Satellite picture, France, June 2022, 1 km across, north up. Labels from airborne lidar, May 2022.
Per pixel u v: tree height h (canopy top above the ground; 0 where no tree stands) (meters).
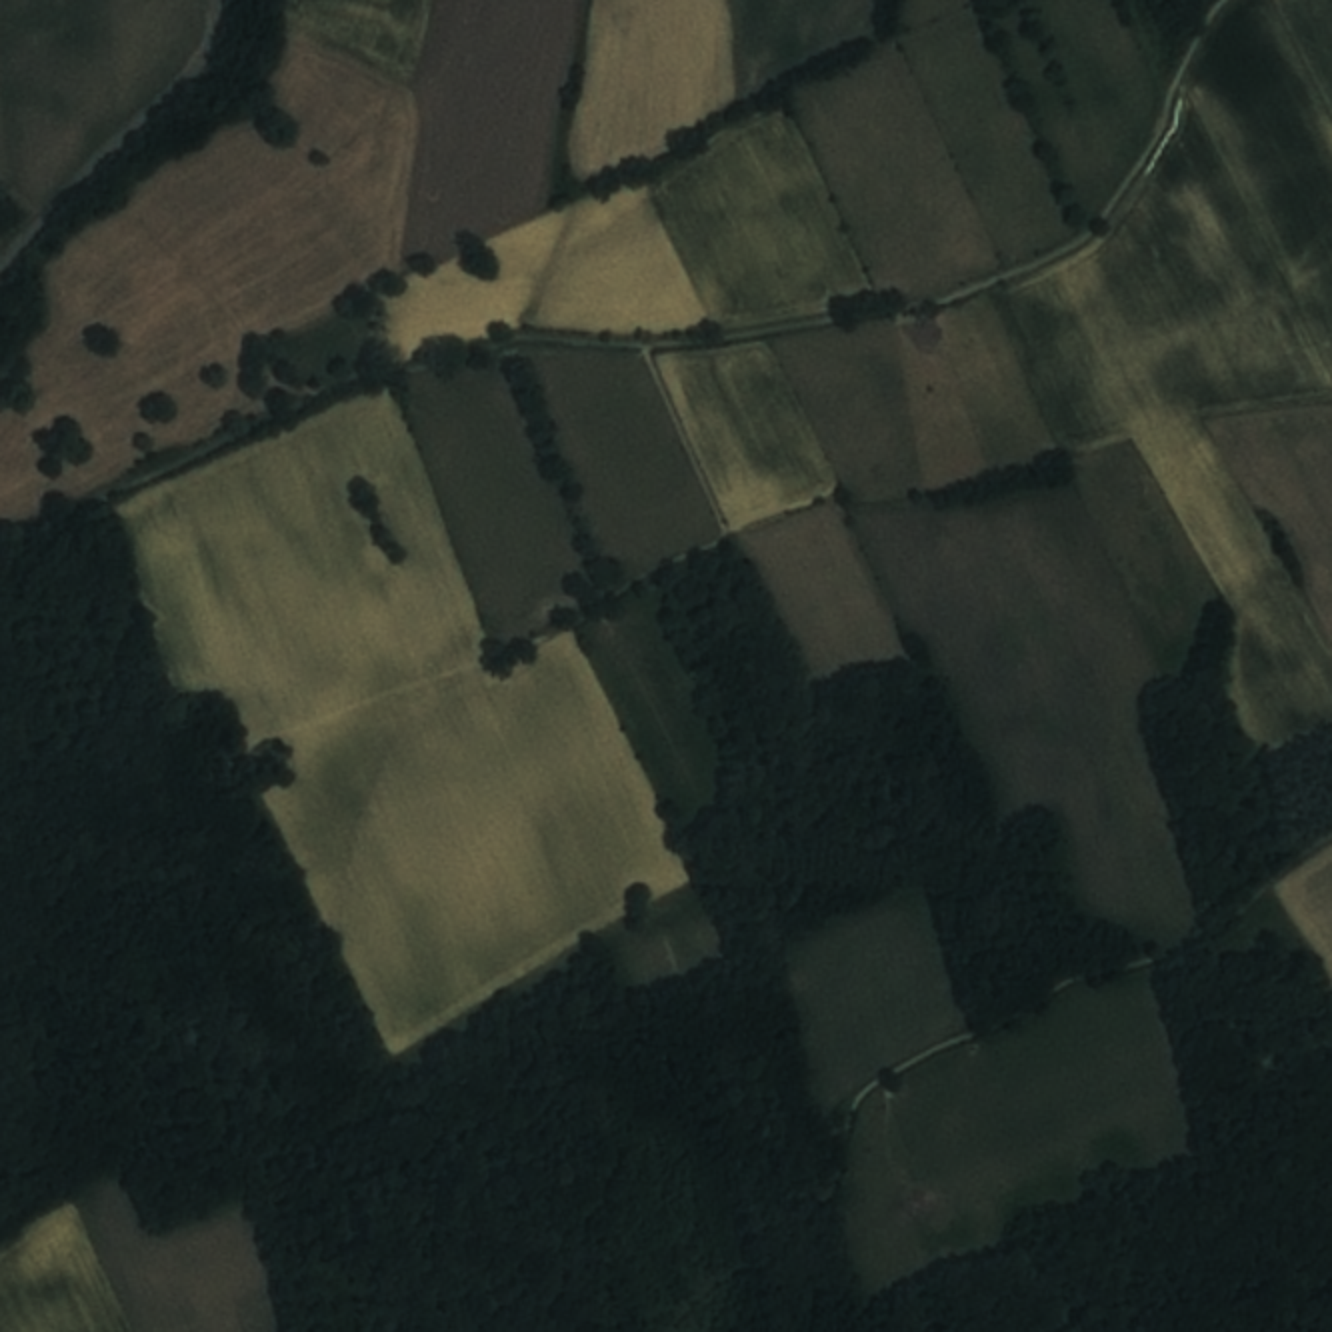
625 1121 9
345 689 0
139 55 0
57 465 14
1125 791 0
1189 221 0
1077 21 0
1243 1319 29
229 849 20
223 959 22
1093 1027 0
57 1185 25
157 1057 19
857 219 0
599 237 0
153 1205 19
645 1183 11
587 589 12
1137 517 0
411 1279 24
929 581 0
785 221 0
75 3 0
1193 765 25
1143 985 0
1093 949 24
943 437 0
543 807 0
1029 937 26
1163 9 7
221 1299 0
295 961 8
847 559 0
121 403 0
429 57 0
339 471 0
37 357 0
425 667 0
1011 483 17
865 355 0
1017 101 15
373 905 0
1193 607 0
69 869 14
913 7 0
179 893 29
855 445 0
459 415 0
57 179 0
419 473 0
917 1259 0
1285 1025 22
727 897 25
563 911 0
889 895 24
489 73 0
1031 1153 0
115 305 0
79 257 0
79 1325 0
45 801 20
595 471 0
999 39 17
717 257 0
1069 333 0
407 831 0
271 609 0
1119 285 0
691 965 0
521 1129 21
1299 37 0
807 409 0
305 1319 18
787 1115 23
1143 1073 0
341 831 0
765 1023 23
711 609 26
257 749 0
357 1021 19
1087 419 0
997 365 0
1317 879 0
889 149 0
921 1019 0
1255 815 26
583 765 0
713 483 0
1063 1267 29
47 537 22
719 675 24
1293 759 24
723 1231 9
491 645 13
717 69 0
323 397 10
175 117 16
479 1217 28
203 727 12
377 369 25
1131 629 0
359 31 0
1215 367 0
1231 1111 20
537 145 0
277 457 0
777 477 0
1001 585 0
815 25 0
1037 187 0
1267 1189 21
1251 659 0
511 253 0
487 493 0
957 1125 0
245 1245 0
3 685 20
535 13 0
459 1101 28
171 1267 0
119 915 19
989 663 0
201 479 0
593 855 0
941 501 18
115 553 20
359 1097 20
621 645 0
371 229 0
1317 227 0
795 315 0
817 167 0
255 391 15
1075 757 0
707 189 0
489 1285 18
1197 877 16
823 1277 26
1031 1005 19
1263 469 0
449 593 0
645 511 0
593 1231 22
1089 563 0
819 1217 22
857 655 0
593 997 26
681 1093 26
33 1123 25
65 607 21
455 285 0
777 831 6
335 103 0
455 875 0
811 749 11
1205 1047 24
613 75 0
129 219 0
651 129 0
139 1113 25
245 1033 26
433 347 15
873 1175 0
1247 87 0
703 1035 21
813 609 0
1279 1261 27
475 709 0
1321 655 0
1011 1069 0
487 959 0
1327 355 0
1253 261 0
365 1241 25
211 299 0
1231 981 21
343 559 0
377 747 0
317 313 0
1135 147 0
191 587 0
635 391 0
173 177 0
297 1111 21
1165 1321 27
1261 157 0
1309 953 6
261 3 22
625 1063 24
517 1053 24
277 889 22
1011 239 0
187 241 0
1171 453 0
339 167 0
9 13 0
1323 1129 20
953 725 15
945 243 0
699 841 25
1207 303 0
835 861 36
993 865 25
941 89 0
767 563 0
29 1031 17
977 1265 21
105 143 0
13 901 21
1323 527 0
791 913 20
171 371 0
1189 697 20
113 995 21
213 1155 22
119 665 18
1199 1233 27
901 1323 29
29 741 10
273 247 0
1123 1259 29
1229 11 0
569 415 0
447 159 0
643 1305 8
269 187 0
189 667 0
